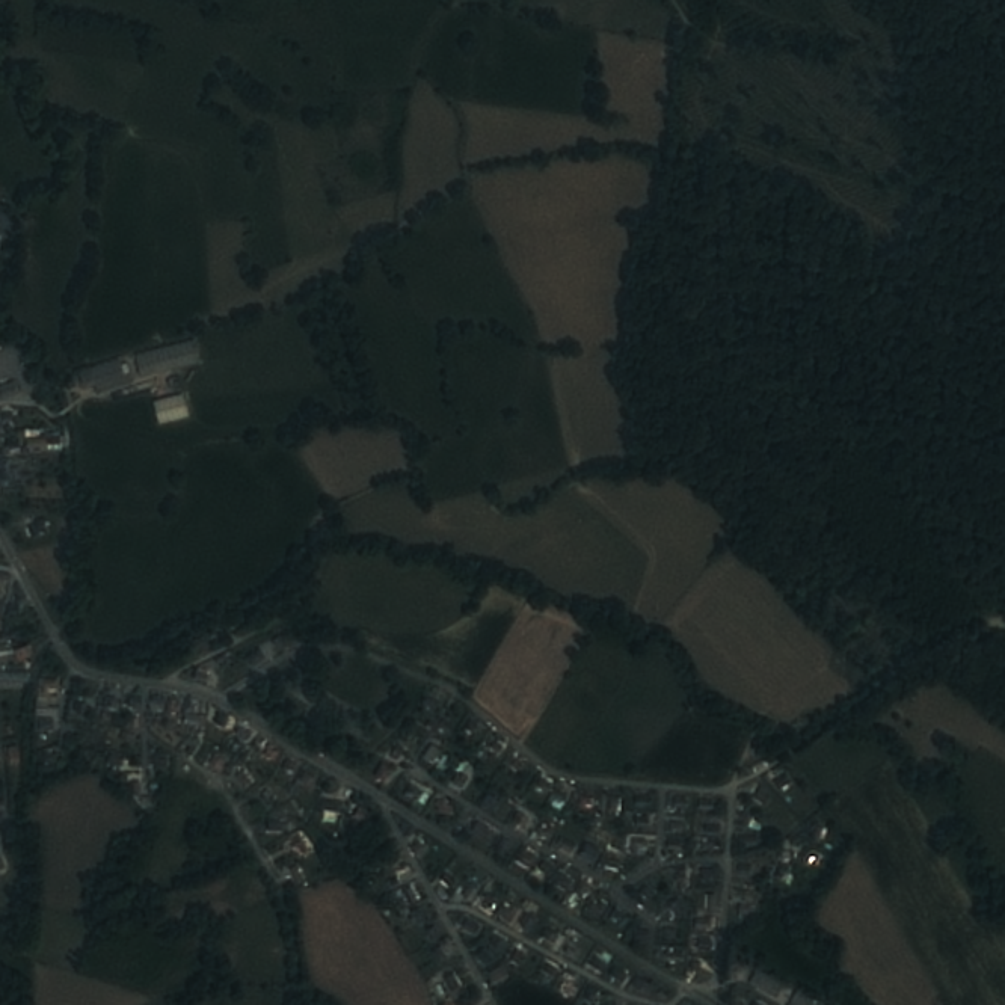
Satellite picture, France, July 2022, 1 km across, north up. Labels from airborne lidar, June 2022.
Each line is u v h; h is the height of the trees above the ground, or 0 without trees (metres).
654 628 8
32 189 21
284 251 0
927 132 22
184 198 0
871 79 25
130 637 0
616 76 0
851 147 25
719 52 0
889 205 0
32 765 6
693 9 8
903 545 12
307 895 0
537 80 0
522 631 0
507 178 0
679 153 16
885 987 0
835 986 17
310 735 26
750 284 28
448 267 0
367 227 0
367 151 0
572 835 0
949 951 0
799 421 31
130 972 0
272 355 0
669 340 32
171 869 0
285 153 0
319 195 0
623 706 0
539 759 0
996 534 33
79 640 12
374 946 0
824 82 0
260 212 0
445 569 22
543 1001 0
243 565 0
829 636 14
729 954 29
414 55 0
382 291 0
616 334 0
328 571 0
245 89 26
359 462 0
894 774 0
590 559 0
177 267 0
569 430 0
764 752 17
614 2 0
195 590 0
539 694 0
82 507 28
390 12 0
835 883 16
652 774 0
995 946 0
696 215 28
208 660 0
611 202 0
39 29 7
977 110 24
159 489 0
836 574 13
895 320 27
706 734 0
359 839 17
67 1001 0
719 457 33
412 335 0
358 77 0
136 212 0
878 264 26
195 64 0
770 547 28
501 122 0
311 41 0
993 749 0
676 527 0
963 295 27
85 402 0
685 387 31
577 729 0
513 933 0
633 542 0
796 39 7
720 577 0
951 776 21
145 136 0
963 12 28
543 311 0
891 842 0
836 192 0
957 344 25
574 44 0
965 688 28
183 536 0
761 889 8
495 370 0
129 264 0
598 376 0
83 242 0
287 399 0
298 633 15
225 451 0
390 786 0
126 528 0
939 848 26
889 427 32
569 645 0
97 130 16
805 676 0
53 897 0
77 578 20
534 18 19
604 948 0
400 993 0
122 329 0
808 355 34
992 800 0
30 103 29
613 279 0
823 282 34
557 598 8
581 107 0
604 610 21
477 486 0
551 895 10
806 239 25
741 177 30
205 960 16
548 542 0
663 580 0
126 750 7
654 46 0
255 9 0
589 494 0
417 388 0
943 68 25
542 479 0
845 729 19
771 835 20
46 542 0
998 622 0
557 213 0
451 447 0
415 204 0
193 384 0
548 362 0
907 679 25
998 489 33
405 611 0
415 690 0
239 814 0
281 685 22
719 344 33
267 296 0
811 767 0
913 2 24
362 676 0
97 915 20
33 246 0
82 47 0
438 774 8
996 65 25
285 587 19
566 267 0
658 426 29
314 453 0
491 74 0
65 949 0
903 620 31
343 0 0
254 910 0
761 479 33
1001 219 28
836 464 12
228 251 0
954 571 29
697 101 0
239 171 0
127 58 0
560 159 6
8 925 13
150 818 14
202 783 0
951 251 24
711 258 31
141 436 0
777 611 0
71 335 17
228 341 0
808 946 25
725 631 0
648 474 28
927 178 10
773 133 26
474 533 0
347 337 21
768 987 0
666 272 27
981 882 20
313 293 22
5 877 0
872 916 0
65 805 0
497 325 15
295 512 0
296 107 0
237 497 0
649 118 0
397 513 0
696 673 13
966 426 29
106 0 0
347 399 24
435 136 0
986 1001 0
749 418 34
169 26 0
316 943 0
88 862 0
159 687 0
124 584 0
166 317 0
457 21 0
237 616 8
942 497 31
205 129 0
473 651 0
